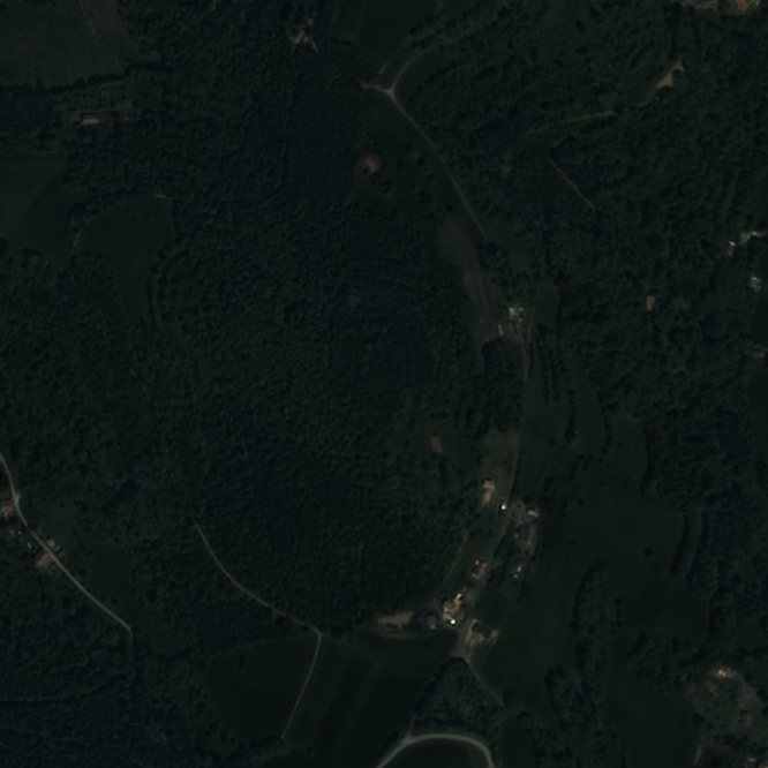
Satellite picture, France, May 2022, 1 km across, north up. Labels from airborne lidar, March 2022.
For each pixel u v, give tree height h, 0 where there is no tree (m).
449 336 7
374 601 16
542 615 0
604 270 23
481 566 0
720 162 31
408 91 0
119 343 13
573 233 25
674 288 7
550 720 0
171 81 28
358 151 13
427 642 0
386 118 0
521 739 0
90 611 13
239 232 16
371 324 18
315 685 0
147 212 0
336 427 6
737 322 27
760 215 0
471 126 18
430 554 17
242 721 0
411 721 0
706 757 0
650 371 27
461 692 8
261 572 7
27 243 0
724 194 19
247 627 21
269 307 8
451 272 6
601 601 22
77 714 16
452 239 0
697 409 31
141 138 15
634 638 0
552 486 13
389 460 20
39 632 29
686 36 20
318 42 15
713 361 24
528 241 21
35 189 0
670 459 17
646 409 34
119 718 16
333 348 11
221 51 17
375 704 0
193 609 24
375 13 0
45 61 0
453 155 16
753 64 27
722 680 0
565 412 0
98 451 21
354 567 9
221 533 10
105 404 11
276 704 0
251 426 11
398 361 19
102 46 0
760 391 0
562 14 0
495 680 0
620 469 0
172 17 21
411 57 0
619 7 23
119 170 12
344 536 11
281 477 11
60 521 0
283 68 14
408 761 0
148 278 0
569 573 0
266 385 10
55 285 14
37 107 25
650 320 13
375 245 14
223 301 11
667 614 0
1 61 0
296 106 16
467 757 0
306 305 10
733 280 23
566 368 18
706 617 0
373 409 14
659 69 0
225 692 0
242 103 13
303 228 17
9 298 17
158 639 0
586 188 26
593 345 25
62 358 18
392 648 0
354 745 0
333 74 13
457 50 0
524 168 9
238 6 10
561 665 0
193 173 8
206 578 12
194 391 17
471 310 0
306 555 10
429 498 18
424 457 0
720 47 22
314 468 13
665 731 0
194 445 17
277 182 13
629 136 19
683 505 27
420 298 10
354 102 14
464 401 10
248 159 13
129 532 24
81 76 0
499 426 15
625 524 0
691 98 20
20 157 0
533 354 7
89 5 0
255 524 15
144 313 0
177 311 9
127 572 0
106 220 0
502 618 0
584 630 22
